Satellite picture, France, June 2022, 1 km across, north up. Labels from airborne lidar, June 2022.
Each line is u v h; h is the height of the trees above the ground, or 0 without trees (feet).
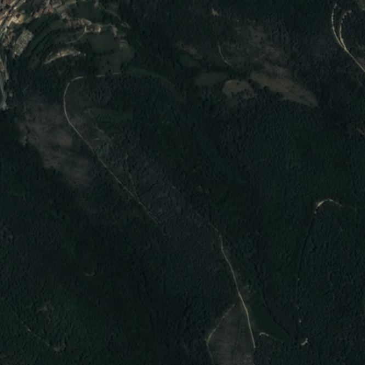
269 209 47
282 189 21
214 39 22
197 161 64
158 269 54
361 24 24
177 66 55
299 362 59
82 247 66
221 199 22
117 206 46
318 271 48
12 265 73
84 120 0
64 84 28
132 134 50
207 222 51
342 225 48
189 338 27
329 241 53
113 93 34
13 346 57
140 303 43
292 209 45
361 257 69
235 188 50
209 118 18
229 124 43
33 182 88
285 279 65
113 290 73
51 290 54
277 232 49
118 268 106
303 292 45
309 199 42
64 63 23
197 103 31
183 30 44
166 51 116
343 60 21
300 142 57
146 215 21
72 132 0
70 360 46
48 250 83
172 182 55
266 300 71
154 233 46
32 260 84
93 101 41
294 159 50
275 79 0
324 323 47
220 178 58
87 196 30
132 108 33
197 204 41
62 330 49
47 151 0
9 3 0
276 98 34
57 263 79
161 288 49
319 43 22
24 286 67
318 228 60
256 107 35
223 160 102
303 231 50
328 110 28
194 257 55
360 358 71
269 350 49
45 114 0
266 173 56
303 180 32
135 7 46
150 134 41
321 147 46
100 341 66
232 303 48
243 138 39
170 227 46
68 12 21
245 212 58
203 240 56
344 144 48
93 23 26
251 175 43
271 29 31
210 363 18
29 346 44
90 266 64
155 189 58
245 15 51
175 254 55
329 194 35
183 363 106
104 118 19
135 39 46
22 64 31
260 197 58
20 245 82
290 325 63
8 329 62
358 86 29
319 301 52
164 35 53
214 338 0
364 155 68
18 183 92
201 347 49
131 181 44
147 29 31
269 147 51
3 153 85
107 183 55
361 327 36
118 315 52
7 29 21
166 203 52
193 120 98
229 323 0
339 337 25
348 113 46
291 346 46
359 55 51
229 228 55
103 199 30
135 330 44
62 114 0
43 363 59
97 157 29
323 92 43
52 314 50
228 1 58
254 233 31
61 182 26
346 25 30
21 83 54
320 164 49
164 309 53
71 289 83
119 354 52
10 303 61
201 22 29
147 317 48
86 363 65
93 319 74
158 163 45
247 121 37
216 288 51
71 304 52
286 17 63
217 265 31
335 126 52
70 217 41
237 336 0
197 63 0
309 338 44
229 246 45
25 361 61
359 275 76
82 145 31
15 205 91
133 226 64
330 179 64
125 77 30
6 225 78
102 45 0
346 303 43
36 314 73
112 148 34
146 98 71
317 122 76
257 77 0
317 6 31
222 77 0
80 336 38
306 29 39
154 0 35
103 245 68
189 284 56
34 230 89
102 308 80
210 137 41
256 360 37
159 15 42
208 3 29
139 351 55
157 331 53
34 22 35
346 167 37
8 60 28
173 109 74
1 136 61
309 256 55
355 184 79
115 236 35
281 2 62
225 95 23
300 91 0
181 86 38
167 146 38
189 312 97
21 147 62
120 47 0
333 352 81
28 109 29
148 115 70
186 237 43
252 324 0
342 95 68
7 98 32
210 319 91
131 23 51
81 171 0
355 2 39
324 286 41
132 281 37
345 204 36
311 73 29
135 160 35
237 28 0
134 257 84
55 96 28
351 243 40
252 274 56
